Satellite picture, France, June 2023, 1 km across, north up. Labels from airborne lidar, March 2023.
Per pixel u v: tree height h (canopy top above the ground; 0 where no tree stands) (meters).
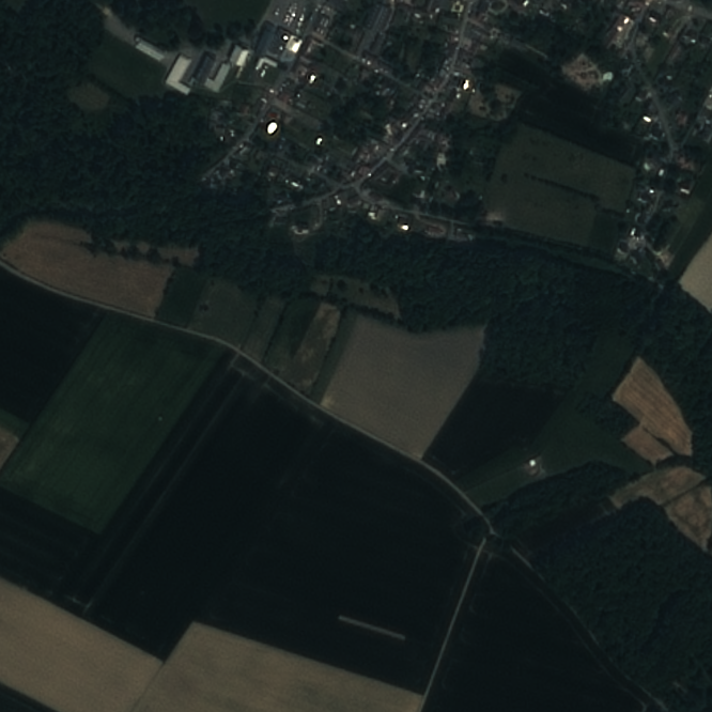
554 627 0
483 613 0
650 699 0
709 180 0
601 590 28
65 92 12
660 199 0
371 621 0
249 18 0
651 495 0
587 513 0
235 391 0
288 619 0
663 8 0
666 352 20
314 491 0
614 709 0
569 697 0
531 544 0
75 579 0
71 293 0
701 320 31
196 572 0
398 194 0
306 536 0
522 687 0
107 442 0
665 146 11
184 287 0
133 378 0
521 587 0
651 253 8
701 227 0
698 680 18
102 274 0
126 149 26
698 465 14
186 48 0
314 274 0
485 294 24
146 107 27
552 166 0
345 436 0
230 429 0
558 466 0
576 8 14
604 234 0
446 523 0
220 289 0
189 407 0
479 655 0
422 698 0
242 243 25
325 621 0
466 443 0
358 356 0
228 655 0
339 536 0
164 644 0
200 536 0
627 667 19
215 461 0
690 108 0
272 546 0
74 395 0
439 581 0
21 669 0
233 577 0
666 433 0
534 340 30
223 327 0
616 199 0
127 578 0
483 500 0
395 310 0
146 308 0
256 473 0
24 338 0
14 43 12
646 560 26
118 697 0
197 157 26
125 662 0
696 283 0
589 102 0
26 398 0
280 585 0
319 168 0
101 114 0
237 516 0
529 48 0
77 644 0
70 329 0
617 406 11
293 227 0
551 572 16
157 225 24
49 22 26
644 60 16
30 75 16
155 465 0
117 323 0
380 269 24
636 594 25
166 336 0
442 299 20
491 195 0
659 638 27
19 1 0
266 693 0
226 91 0
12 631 0
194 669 0
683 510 0
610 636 21
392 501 0
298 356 0
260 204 22
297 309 0
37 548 0
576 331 28
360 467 0
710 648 23
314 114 0
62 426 0
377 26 0
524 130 0
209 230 25
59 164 22
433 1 0
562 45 15
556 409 0
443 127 6
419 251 24
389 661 0
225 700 0
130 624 0
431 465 0
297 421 0
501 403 0
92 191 21
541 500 23
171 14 31
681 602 22
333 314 0
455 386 0
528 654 0
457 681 0
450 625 0
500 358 21
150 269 0
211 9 0
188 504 0
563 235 0
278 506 0
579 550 24
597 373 0
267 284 21
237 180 0
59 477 0
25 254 0
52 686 0
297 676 0
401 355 0
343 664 0
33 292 0
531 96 0
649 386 0
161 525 0
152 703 0
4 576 0
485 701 0
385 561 0
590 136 0
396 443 0
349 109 11
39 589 0
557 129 0
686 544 27
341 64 0
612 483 17
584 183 0
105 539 0
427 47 11
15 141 25
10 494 0
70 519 0
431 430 0
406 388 0
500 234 10
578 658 0
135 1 29
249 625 0
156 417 0
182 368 0
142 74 0
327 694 0
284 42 0
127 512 0
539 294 6
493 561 0
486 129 7
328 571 0
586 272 13
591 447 0
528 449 0
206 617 0
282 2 0
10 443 0
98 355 0
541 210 0
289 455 0
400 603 0
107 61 0
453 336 0
